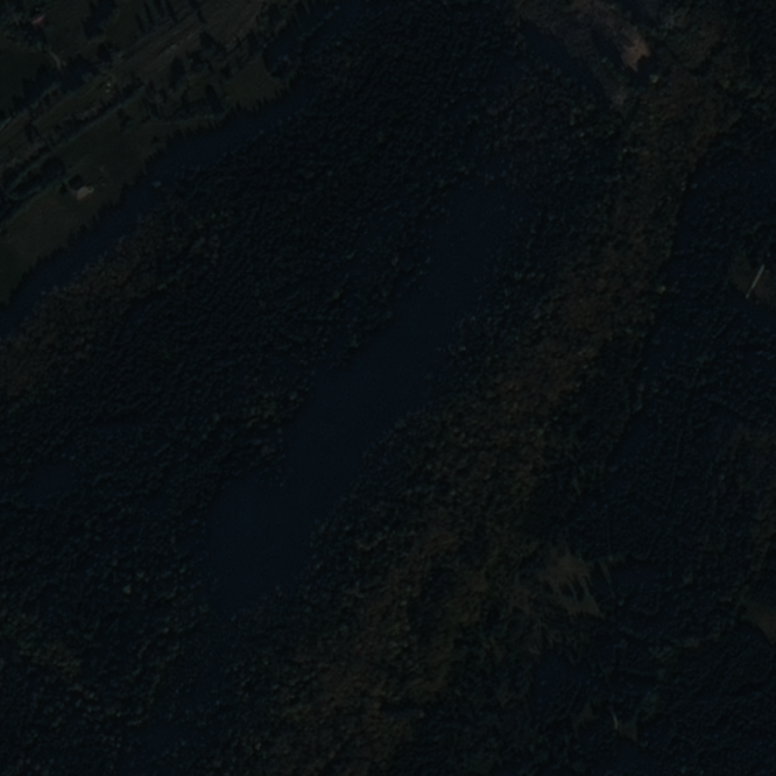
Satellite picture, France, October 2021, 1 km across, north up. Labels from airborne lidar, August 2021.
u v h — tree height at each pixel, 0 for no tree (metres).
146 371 23
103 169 0
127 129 17
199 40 0
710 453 22
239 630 15
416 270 20
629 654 17
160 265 25
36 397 29
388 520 23
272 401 20
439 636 25
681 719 24
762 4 25
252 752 19
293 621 16
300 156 29
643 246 23
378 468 17
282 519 16
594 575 0
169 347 22
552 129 19
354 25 26
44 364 16
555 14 8
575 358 18
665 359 30
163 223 20
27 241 0
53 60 0
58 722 20
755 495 21
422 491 18
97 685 30
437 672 22
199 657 21
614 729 11
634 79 12
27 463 17
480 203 18
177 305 25
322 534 10
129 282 16
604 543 19
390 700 11
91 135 0
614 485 7
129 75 0
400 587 15
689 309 35
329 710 15
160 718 22
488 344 18
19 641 20
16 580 23
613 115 15
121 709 20
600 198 19
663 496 24
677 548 26
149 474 30
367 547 17
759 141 17
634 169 20
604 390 32
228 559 20
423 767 26
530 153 16
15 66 0
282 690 21
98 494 23
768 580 17
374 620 15
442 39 27
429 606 32
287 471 22
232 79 16
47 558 23
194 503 19
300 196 25
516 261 20
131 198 0
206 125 0
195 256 10
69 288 26
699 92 22
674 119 15
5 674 30
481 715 6
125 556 27
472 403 14
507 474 20
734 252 19
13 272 0
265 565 24
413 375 25
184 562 26
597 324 22
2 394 21
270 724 7
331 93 22
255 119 0
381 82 24
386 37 27
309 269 28
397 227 32
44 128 0
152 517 22
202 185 19
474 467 19
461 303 20
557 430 32
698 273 36
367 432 23
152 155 0
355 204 25
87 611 22
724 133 18
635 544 22
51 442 28
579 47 8
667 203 25
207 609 19
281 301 28
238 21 0
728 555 25
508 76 23
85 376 27
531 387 16
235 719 16
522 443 14
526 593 0
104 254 23
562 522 6
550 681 15
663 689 13
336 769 24
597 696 20
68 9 0
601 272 16
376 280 33
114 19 15
